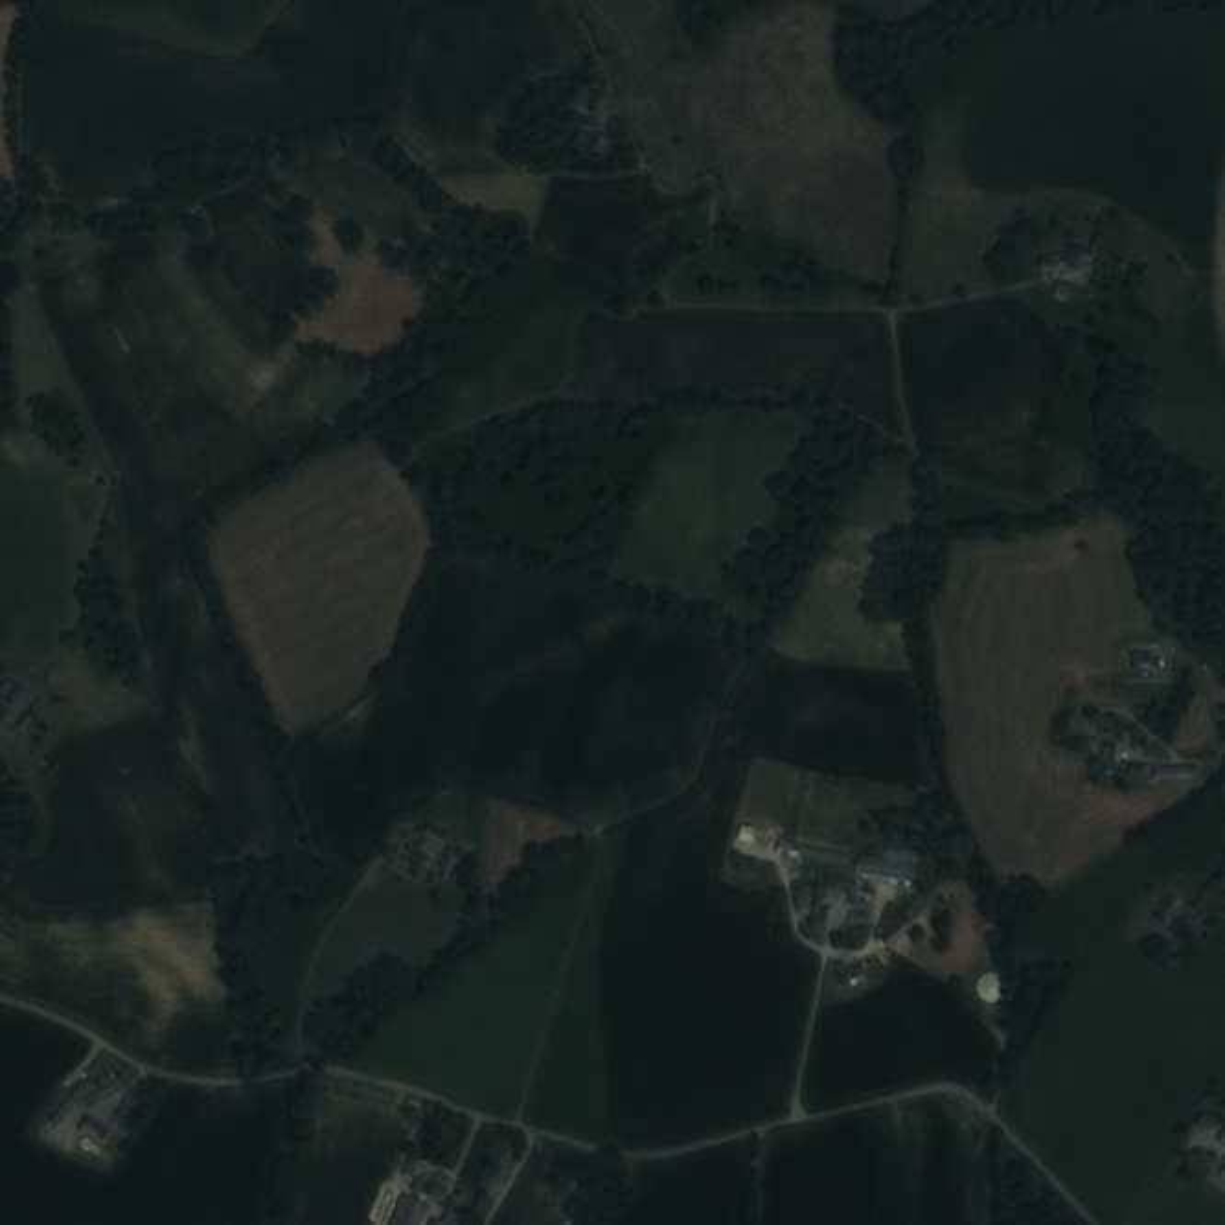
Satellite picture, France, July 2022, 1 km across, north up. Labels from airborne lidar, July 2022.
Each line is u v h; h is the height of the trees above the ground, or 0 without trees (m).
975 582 0
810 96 0
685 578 0
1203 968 0
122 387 0
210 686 0
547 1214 0
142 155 0
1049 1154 0
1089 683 0
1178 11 7
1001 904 23
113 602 9
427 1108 10
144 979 0
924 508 21
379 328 0
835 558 0
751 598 11
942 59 19
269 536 0
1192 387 0
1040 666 0
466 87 0
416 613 11
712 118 0
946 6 20
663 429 0
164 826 0
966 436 0
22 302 0
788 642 0
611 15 0
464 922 11
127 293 0
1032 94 0
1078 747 12
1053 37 0
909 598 17
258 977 0
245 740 0
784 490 16
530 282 0
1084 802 0
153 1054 0
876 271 0
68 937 0
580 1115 0
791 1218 0
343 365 21
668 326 0
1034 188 0
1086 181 0
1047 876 0
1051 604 0
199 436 0
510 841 0
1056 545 0
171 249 0
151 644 0
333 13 0
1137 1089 0
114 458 0
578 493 0
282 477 16
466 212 20
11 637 0
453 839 0
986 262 10
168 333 0
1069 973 8
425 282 15
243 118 0
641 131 0
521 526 0
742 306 0
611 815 0
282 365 0
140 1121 17
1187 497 20
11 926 0
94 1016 0
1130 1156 0
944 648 0
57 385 0
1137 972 0
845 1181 0
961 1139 0
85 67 0
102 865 0
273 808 0
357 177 0
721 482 0
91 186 0
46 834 0
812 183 0
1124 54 0
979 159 0
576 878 0
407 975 23
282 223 17
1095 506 19
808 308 0
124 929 0
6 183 9
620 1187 24
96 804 0
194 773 0
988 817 0
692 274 0
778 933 16
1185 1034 0
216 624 17
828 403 18
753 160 0
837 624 0
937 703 14
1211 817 0
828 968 0
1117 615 0
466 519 24
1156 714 12
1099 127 0
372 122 12
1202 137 0
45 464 0
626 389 0
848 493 24
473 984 0
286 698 0
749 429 0
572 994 0
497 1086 0
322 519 0
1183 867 0
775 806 0
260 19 0
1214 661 17
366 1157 0
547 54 0
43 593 0
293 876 29
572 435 11
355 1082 0
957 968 0
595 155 8
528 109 13
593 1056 0
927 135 0
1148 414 0
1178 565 14
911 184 9
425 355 28
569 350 0
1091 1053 0
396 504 0
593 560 14
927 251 0
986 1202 0
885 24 8
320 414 0
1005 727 0
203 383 0
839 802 0
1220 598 27
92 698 0
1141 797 0
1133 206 0
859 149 0
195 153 16
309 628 0
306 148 20
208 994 0
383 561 0
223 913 18
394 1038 0
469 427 0
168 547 0
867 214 0
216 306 0
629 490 7
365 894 0
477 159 0
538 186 0
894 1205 0
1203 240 0
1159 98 0
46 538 0
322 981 0
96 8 0
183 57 0
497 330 0
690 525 0
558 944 0
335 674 0
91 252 0
